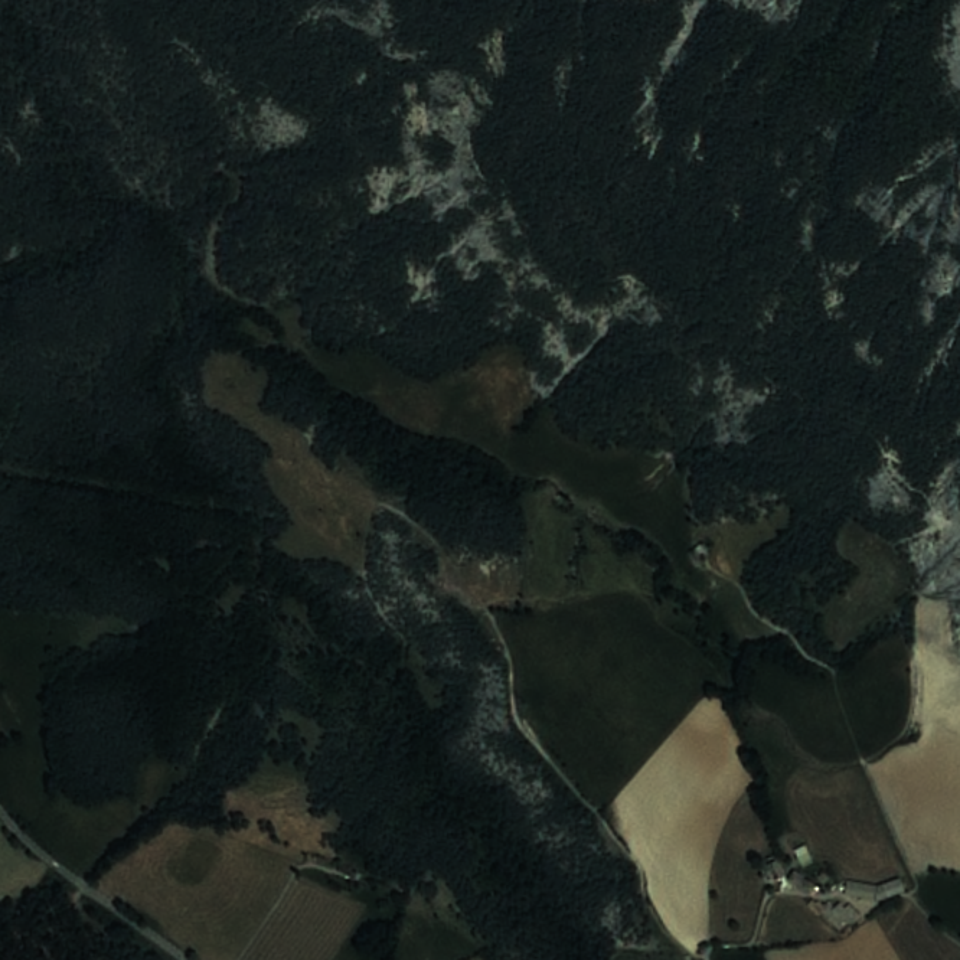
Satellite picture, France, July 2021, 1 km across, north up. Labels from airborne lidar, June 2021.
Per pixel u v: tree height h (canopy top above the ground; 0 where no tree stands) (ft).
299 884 0
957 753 0
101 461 76
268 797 0
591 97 23
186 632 61
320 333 39
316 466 0
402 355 23
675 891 0
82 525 61
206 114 30
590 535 0
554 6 25
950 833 0
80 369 45
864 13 28
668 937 0
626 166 25
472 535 26
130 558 40
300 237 34
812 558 21
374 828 38
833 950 0
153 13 22
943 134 22
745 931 0
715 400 19
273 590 22
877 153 22
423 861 42
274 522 39
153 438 52
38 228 41
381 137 24
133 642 74
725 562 0
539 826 20
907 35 19
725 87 28
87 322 33
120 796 38
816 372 21
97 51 21
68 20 26
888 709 0
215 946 0
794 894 0
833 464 20
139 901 0
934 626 0
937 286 0
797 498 22
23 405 34
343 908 0
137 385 59
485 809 39
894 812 0
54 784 62
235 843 0
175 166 22
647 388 18
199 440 38
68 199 39
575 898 27
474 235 0
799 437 23
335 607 20
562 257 22
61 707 67
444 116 0
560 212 27
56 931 44
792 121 26
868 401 28
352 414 43
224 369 0
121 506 50
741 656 47
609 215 20
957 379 24
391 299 19
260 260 30
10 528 48
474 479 47
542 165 19
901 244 19
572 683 0
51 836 0
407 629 19
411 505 26
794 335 28
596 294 18
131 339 48
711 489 25
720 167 23
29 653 0
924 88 25
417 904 0
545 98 22
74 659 43
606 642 0
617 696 0
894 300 24
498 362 0
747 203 23
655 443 25
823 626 24
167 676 65
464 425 0
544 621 0
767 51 20
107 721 53
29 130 21
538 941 29
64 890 60
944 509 0
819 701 0
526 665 0
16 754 0
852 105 24
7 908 51
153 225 53
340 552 0
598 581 0
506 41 22
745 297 35
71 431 61
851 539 0
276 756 28
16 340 37
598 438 25
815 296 23
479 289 17
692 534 0
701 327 33
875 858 0
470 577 0
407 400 0
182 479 46
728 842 0
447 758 25
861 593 0
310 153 23
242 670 47
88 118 32
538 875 53
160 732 54
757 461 20
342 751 23
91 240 43
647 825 0
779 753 0
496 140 23
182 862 0
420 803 32
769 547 31
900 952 0
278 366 43
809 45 28
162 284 57
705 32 23
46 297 34
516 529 34
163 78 26
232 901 0
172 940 0
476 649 18
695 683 0
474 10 23
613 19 34
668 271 24
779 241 19
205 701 42
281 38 22
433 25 22
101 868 28
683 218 35
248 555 35
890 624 28
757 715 0
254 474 23
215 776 45
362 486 0
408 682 39
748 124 27
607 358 23
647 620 0
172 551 44
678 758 0
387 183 0
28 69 39
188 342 26
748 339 18
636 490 0
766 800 56
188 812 53
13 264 44
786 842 0
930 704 0
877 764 0
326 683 23
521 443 0
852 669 39
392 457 60
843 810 0
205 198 49
